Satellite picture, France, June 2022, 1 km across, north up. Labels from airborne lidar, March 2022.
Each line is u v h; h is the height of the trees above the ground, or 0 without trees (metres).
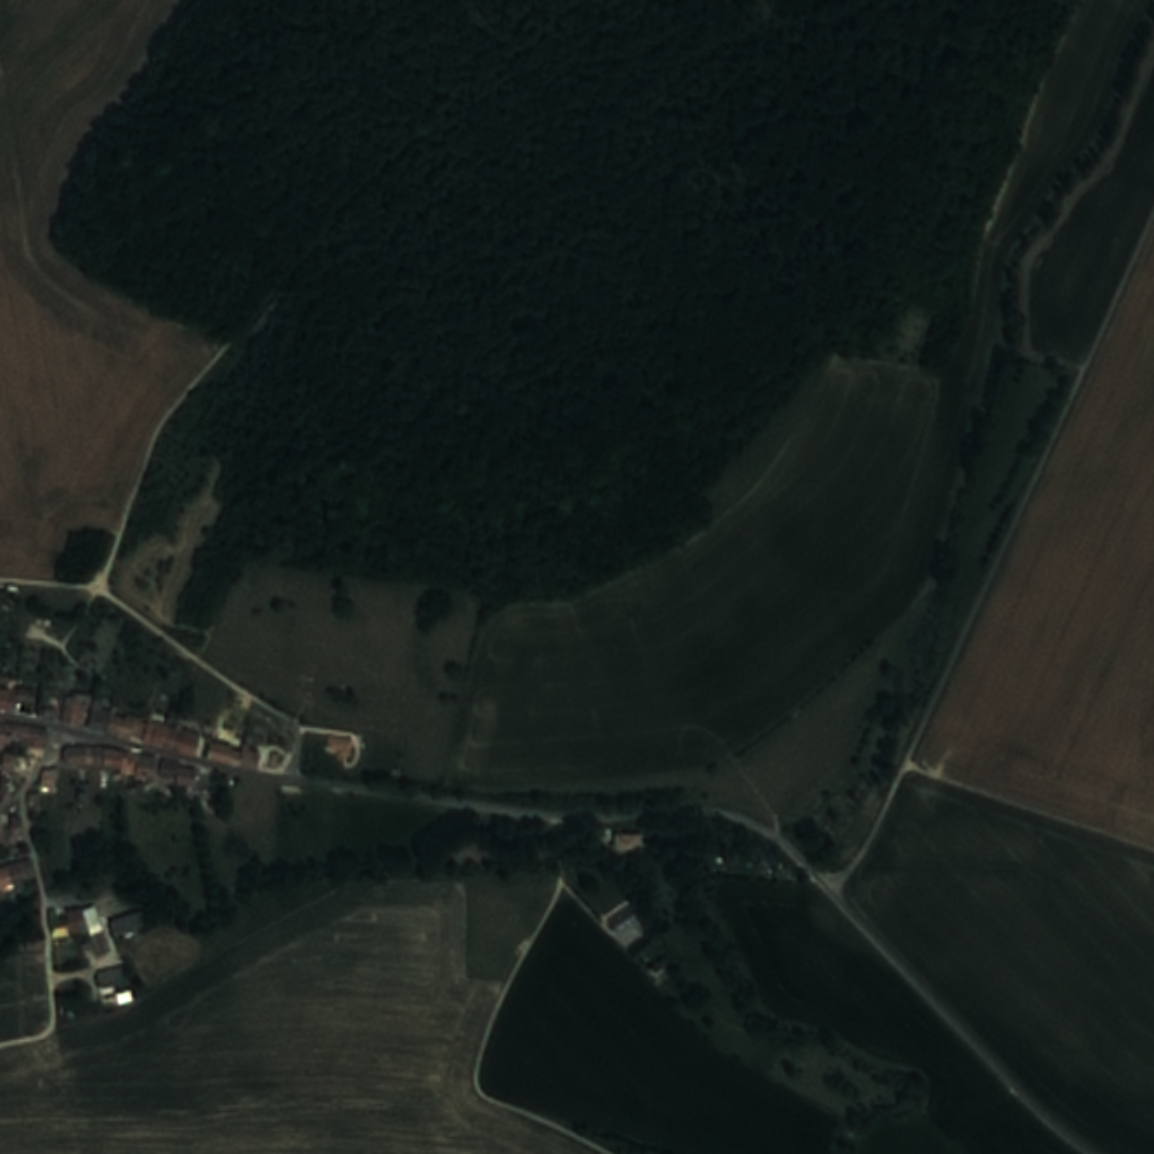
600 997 0
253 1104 0
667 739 0
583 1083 0
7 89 0
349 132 17
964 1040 0
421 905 0
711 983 0
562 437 25
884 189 22
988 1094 0
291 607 11
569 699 0
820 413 0
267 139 15
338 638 0
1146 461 0
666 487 20
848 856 0
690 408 18
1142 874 0
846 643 0
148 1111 0
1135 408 0
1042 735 0
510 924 0
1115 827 0
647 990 0
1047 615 0
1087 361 0
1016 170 0
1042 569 0
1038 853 0
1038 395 0
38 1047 0
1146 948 0
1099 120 0
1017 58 18
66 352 0
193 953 0
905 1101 17
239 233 20
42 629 0
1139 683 0
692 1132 0
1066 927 0
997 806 0
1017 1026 0
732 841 20
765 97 19
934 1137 0
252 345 11
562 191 20
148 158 20
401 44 19
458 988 0
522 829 14
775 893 0
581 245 17
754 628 0
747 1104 0
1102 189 0
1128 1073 0
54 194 0
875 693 0
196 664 0
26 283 0
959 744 0
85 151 17
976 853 0
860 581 0
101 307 0
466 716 0
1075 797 0
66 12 0
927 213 21
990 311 0
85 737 0
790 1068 18
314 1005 0
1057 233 0
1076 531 0
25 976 0
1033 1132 0
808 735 0
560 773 0
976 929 0
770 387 19
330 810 0
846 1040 0
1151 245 0
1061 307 0
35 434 0
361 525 16
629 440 25
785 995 0
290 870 18
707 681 0
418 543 19
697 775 0
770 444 0
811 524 0
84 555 10
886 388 0
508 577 18
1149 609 0
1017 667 0
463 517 16
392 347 19
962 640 0
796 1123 0
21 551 0
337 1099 0
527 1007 0
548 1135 0
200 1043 0
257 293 19
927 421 0
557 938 0
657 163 18
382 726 0
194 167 18
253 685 0
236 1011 0
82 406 0
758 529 0
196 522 0
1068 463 0
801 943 0
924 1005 0
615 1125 0
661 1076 0
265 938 0
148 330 0
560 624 0
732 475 0
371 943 0
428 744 0
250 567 0
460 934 0
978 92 22
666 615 0
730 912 0
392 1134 0
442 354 21
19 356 0
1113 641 0
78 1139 0
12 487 0
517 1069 0
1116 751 0
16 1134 0
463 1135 0
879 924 0
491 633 0
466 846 0
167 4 0
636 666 0
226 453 13
